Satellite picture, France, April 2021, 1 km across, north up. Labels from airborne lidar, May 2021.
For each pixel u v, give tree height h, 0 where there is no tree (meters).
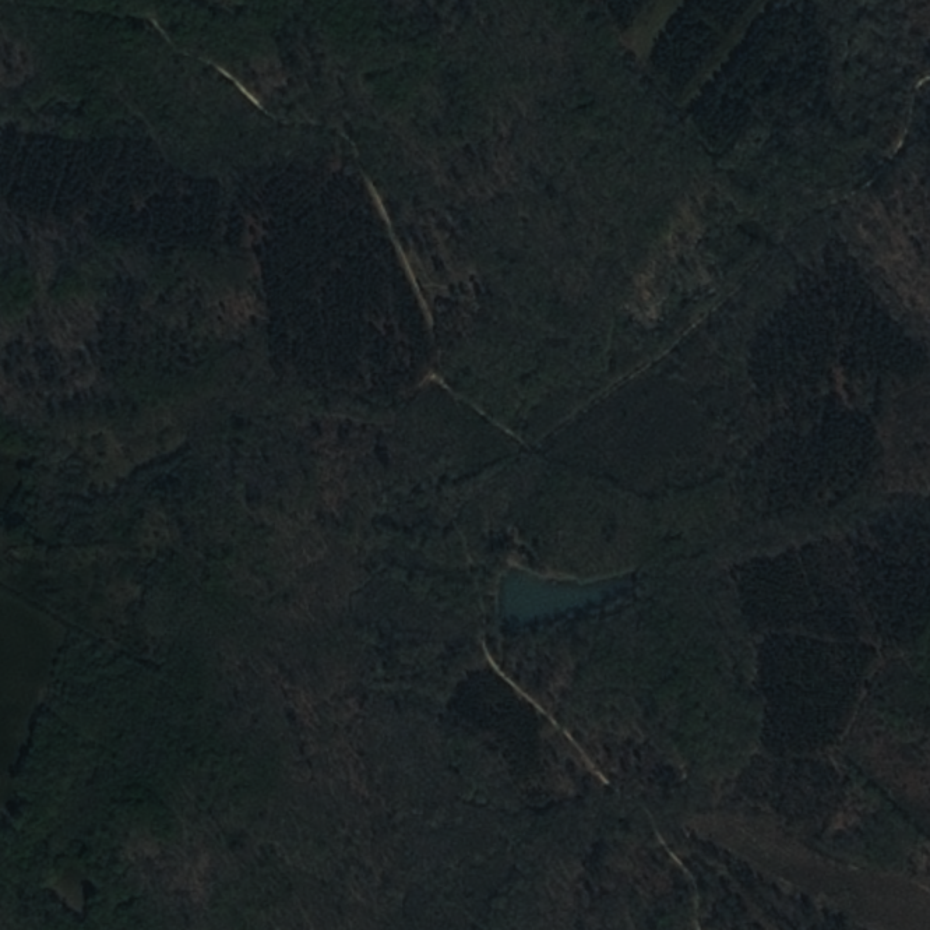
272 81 12
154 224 20
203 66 16
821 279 21
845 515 17
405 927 12
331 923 13
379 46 22
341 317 19
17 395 13
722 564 15
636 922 14
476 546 17
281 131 18
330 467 6
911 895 0
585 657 14
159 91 18
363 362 13
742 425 7
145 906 20
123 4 22
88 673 9
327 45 18
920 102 18
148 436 13
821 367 20
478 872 12
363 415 13
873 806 14
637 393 9
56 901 26
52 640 0
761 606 13
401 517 10
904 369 19
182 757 12
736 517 17
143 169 19
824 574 14
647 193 18
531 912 20
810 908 18
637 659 17
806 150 20
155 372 11
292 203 18
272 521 13
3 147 18
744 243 16
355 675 9
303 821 10
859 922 0
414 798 17
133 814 22
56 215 10
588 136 19
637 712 18
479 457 15
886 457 17
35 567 0
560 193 25
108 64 20
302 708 7
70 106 11
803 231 19
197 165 15
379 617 12
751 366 17
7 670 0
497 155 14
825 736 12
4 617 0
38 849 18
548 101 13
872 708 10
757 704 22
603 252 14
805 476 21
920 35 14
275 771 13
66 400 12
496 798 16
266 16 19
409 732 18
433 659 21
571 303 18
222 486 12
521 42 18
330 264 20
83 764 13
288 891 10
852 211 15
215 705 11
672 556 25
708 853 17
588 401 10
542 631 16
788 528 25
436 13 19
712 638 18
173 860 12
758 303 14
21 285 17
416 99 13
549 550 14
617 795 16
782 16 20
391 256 19
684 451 10
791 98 20
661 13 0
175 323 8
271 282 16
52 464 14
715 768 19
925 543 20
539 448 7
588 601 0
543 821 20
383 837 12
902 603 21
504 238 18
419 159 15
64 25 20
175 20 18
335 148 15
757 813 8
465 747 18
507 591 0
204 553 13
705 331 9
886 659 11
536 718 15
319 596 9
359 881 19
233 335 10
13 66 11
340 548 11
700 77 15
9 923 17
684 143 26
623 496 20
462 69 17
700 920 15
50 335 12
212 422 16
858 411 11
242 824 14
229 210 14
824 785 10
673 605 19
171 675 15
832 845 13
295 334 17
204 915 15
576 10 21
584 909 11
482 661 17
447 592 18
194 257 11
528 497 15
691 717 19
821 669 12
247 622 15
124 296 22
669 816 20
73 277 21
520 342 22
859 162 13
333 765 9
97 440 8
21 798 13
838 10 18
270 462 18
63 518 11
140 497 9
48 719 19
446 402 13
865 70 20
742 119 20
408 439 12
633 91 25
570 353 28
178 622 16
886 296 15
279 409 12
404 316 17
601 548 15
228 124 18
